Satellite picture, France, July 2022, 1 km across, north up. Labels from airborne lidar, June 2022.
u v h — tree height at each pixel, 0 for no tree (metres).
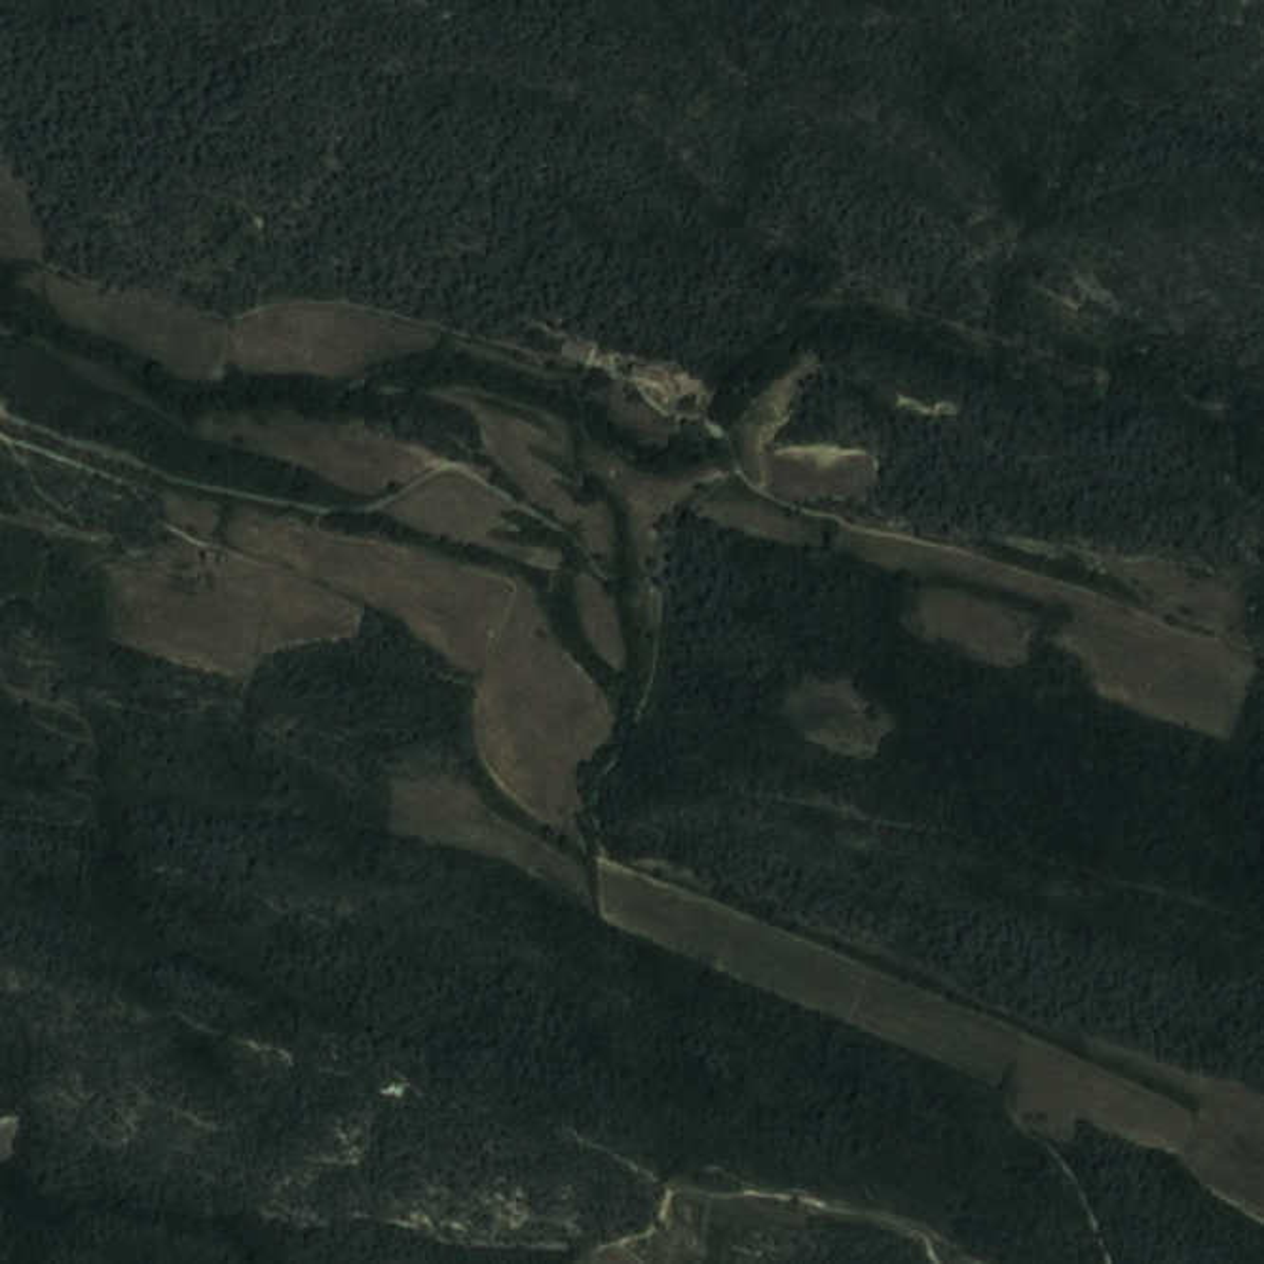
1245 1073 10
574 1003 7
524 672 0
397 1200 7
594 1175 9
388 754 8
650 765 8
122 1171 14
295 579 0
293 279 13
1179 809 10
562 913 11
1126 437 17
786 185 16
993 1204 7
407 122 14
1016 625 0
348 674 5
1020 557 12
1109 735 10
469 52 10
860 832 7
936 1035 0
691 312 13
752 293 12
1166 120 9
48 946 11
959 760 8
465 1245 9
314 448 0
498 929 6
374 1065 6
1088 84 6
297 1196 6
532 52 12
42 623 7
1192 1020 16
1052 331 8
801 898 15
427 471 0
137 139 13
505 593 0
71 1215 13
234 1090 6
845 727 0
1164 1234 12
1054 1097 0
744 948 0
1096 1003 8
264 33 9
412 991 10
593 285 9
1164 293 8
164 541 8
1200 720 0
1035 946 18
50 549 11
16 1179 15
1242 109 10
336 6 13
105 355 14
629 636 6
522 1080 10
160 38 13
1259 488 13
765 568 14
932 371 7
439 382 6
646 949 10
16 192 0
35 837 14
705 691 7
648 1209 7
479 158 12
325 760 7
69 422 8
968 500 7
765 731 7
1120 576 0
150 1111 7
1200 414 7
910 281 10
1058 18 9
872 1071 15
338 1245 8
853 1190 6
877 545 0
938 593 0
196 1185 13
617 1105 9
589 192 12
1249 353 12
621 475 0
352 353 0
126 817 13
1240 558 11
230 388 11
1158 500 7
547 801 0
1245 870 6
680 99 13
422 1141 10
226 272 6
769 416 0
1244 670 0
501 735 0
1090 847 9
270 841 6
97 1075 10
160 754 11
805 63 12
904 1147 7
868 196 9
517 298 13
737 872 14
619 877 0
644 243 5
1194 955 9
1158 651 0
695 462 13
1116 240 6
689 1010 9
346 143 15
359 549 0
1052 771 6
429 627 0
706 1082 7
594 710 0
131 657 7
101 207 7
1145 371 11
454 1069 9
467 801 0
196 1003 10
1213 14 12
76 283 6
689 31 8
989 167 9
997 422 8
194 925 12
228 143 15
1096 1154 7
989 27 9
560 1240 7
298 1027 10
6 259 0
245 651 0
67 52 13
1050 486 11
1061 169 8
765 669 14
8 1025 10
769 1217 0
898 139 6
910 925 8
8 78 15
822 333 13
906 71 13
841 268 10
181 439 7
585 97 9
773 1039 7
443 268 16
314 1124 10
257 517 0
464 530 0
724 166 9
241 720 7
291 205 14
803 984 0
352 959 13
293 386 13
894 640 7
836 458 0
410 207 17
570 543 9
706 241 12
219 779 6
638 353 9
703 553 8
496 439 0
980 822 8
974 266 11
